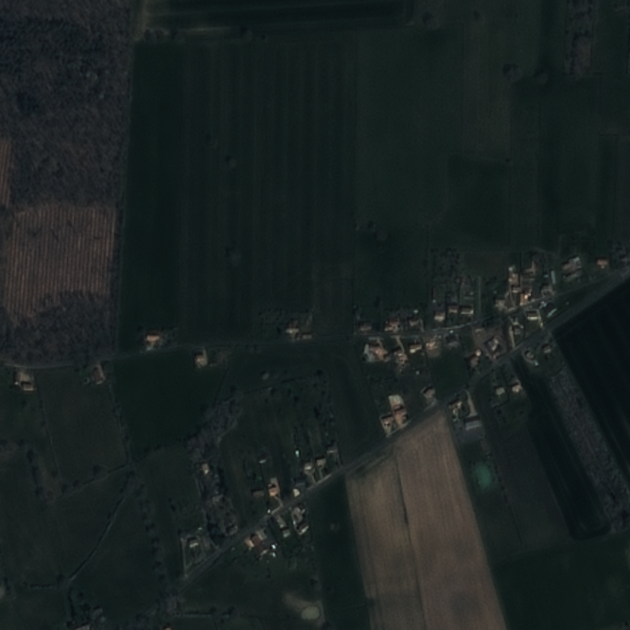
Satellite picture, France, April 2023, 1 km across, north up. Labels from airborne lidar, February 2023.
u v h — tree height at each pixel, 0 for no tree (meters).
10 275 0
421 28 0
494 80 0
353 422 0
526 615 0
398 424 0
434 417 0
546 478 0
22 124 23
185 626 0
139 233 0
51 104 19
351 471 0
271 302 0
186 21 0
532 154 0
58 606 0
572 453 0
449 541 0
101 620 8
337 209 0
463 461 0
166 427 0
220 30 0
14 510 0
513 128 0
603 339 0
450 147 0
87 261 0
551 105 0
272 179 0
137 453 0
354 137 0
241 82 0
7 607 0
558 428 0
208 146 7
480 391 0
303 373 0
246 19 0
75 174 22
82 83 18
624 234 0
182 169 0
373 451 0
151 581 0
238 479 0
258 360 0
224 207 0
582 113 0
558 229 0
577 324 0
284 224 0
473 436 0
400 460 0
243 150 0
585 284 0
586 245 0
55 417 0
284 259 0
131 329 0
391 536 0
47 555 0
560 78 0
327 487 0
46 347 20
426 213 0
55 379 0
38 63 22
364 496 0
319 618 0
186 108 0
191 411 0
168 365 0
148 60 0
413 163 0
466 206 0
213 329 0
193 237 0
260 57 0
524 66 0
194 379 0
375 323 0
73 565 0
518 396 0
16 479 0
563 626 0
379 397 0
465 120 0
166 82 0
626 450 0
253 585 0
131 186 0
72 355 15
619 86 0
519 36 0
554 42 0
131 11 14
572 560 0
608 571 0
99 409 0
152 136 0
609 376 0
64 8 13
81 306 23
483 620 0
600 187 0
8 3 17
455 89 0
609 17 0
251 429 0
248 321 0
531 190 0
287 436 0
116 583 0
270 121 0
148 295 0
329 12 0
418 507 0
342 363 0
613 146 0
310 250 0
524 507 0
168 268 0
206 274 0
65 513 0
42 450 0
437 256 10
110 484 0
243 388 0
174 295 0
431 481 0
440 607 0
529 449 0
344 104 0
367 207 0
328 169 0
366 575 0
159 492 0
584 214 0
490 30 0
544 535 0
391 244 0
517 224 0
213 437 17
